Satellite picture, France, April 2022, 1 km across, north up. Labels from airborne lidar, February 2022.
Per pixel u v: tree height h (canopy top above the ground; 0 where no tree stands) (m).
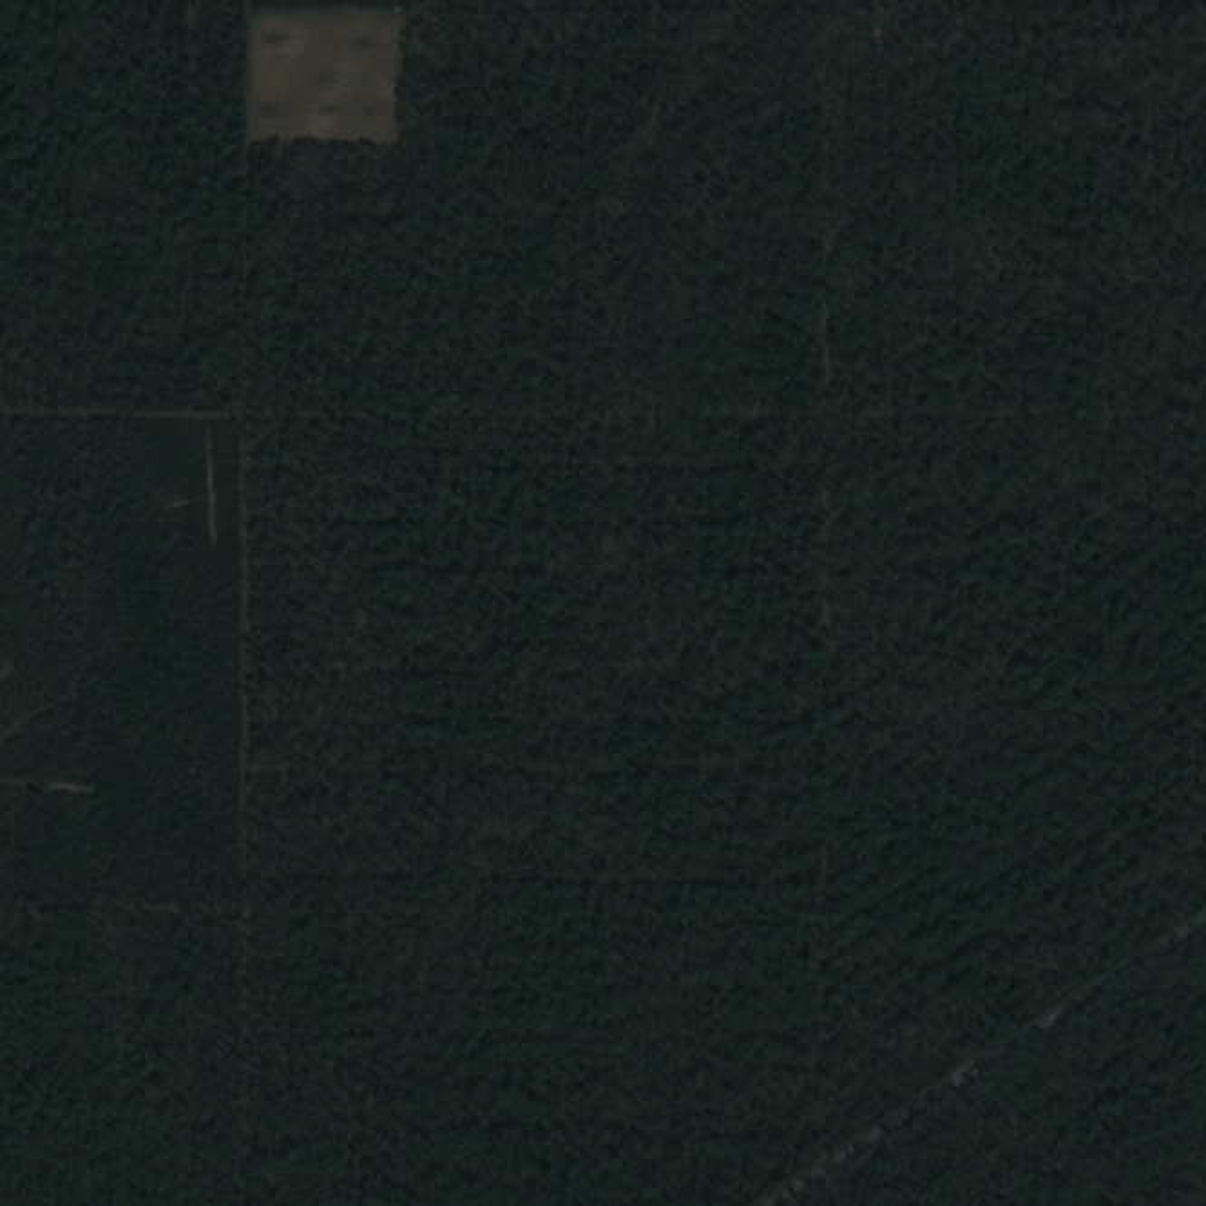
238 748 8
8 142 20
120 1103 16
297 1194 12
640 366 16
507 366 16
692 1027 16
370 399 15
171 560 7
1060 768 18
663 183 13
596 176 15
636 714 18
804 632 14
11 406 12
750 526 17
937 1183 14
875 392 13
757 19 13
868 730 14
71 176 20
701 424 14
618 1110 18
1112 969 12
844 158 14
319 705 12
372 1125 16
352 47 0
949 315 15
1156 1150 17
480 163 15
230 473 8
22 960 15
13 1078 16
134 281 15
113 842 7
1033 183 16
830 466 13
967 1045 18
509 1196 18
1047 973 17
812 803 17
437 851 14
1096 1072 16
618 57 14
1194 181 16
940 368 16
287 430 13
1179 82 15
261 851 9
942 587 17
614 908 15
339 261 14
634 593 14
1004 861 14
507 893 12
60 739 6
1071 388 21
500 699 9
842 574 17
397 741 16
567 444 15
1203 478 15
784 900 18
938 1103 14
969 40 16
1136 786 18
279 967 12
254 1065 12
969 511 17
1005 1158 18
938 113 16
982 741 18
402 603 8
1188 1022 19
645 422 16
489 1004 13
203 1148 18
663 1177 16
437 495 13
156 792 8
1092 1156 20
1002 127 18
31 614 8
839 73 20
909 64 20
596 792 12
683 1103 15
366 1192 15
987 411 15
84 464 8
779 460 16
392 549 18
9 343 18
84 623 10
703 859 19
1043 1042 19
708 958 17
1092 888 17
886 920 18
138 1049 15
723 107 16
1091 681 18
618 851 16
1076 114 20
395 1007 13
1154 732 16
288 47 0
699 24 17
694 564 18
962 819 16
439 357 15
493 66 16
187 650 8
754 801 17
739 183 13
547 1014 18
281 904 18
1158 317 20
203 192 16
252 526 9
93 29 20
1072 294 19
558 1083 16
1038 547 17
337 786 13
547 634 14
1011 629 16
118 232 14
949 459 19
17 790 6
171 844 10
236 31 13
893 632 18
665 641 15
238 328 12
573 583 8
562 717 14
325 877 14
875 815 17
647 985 16
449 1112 16
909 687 15
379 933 12
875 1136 0
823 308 17
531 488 18
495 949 15
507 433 17
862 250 20
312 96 0
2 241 20
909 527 16
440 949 7
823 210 16
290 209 18
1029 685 17
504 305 15
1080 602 16
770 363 16
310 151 17
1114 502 19
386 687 15
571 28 16
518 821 16
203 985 13
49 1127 18
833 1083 17
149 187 16
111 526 10
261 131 0
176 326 14
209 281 16
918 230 18
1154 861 11
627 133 14
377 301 15
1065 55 15
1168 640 18
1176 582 15
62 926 18
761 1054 17
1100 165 15
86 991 18
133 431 8
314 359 13
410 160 7
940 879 20
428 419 17
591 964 16
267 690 11
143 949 15
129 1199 18
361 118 0
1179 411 18
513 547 21
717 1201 17
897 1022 14
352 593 14
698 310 15
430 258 14
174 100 16
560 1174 19
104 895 10
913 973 13
